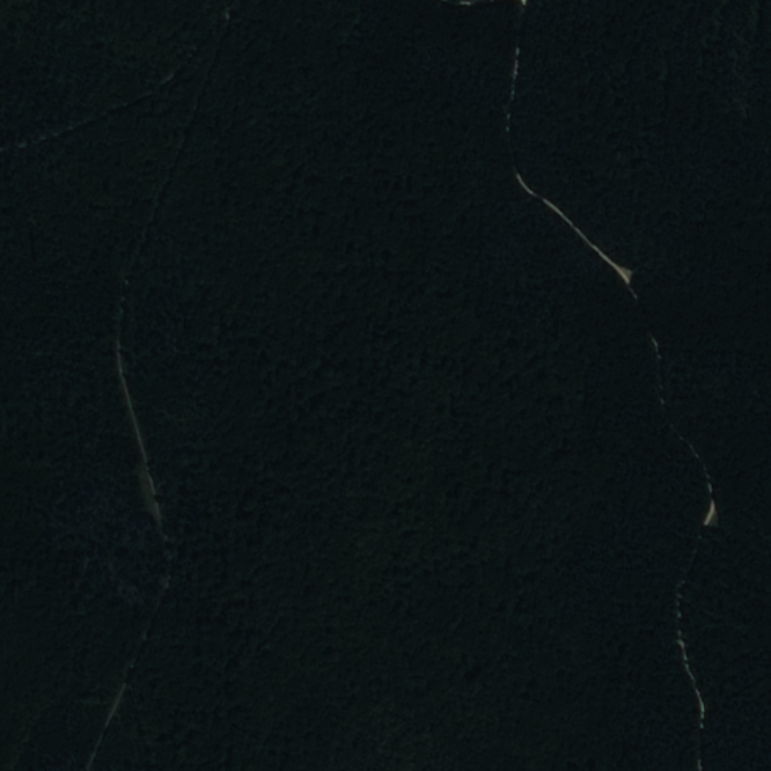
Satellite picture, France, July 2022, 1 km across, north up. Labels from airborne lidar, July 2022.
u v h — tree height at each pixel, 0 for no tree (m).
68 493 14
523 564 21
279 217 14
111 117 16
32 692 17
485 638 18
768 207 21
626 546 15
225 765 18
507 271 21
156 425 9
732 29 12
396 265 22
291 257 18
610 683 16
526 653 19
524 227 21
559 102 17
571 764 20
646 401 17
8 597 21
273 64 21
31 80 16
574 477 17
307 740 17
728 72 23
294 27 17
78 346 17
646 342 24
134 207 17
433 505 19
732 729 19
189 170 18
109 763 6
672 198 21
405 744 16
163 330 24
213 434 20
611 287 19
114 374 15
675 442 16
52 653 19
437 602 21
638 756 16
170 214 19
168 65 18
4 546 14
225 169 20
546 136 18
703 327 18
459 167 14
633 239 14
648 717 15
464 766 17
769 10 19
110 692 16
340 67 20
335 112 22
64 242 19
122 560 21
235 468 20
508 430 18
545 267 16
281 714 16
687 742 16
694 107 16
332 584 19
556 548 19
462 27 23
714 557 20
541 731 17
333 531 19
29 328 6
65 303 8
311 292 20
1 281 15
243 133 20
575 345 14
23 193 19
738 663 13
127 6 15
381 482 18
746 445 21
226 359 20
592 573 14
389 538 18
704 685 16
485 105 19
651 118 23
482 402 20
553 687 18
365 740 14
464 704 14
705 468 12
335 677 18
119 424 21
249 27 20
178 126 15
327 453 19
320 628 17
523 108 20
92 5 10
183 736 13
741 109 11
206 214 18
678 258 22
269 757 20
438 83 17
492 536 20
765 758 22
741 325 17
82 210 17
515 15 17
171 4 17
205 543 11
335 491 19
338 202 26
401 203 23
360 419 20
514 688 18
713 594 22
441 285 20
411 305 17
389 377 22
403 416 20
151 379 9
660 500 16
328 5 19
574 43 18
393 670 16
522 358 20
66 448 13
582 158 18
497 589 18
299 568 20
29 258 13
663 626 20
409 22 20
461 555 19
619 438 20
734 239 16
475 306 25
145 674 19
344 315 19
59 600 19
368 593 16
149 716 17
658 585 13
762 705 19
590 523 19
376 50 20
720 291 19
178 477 6
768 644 18
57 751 11
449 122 19
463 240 20
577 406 18
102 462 10
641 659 18
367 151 23
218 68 14
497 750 18
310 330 19
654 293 18
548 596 18
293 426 27
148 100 9
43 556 10
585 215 22
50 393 11
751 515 20
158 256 20
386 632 19
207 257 15
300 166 16
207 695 22
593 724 18
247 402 20
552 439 21
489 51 18
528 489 14
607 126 20
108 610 22
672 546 16
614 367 19
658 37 20
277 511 19
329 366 28
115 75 7
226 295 16
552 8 19
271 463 23
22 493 8
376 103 23
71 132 16
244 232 16
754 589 14
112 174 18
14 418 10
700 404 20
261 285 14
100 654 18
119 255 23
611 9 18
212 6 16
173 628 20
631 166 18
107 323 9
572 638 15
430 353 24
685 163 19
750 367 14
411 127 17
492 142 20
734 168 22
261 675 18
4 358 9
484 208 20
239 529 18
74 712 10
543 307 10
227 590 18
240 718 20
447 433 20
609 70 23
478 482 20
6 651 15
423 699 17
